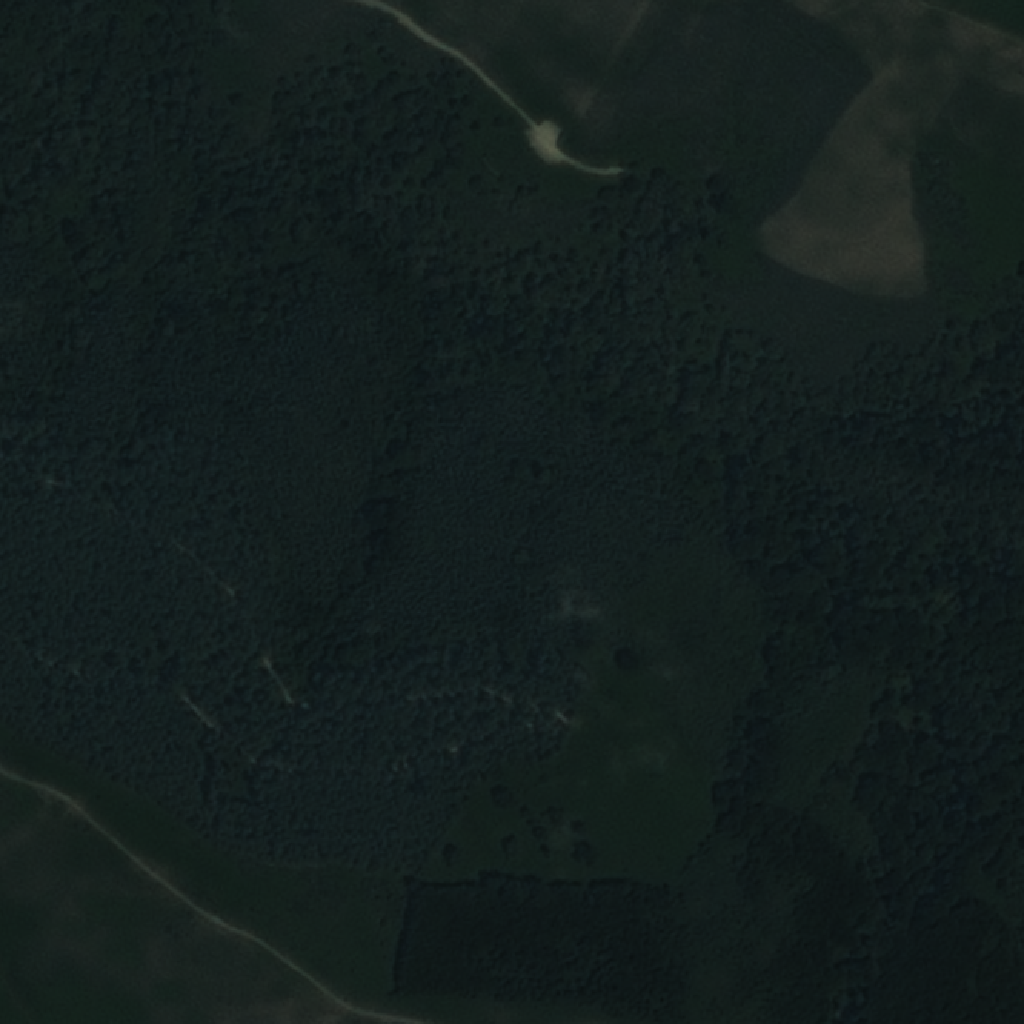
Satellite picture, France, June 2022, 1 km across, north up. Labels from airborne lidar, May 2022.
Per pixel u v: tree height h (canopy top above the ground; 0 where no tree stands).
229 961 0
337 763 26
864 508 23
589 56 0
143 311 13
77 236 28
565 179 0
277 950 0
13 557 30
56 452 24
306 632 14
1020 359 33
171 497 25
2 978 0
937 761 32
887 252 0
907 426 18
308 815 21
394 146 20
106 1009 0
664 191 18
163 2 18
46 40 10
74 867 0
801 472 31
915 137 0
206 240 12
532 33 0
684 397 20
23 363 12
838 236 0
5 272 12
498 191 7
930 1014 18
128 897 0
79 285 18
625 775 0
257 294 24
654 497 8
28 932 0
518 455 7
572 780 0
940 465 15
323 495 11
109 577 30
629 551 8
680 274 17
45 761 0
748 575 8
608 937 8
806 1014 13
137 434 10
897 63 0
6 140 27
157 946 0
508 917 14
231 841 19
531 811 12
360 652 6
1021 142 0
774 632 8
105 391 12
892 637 20
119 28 18
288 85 14
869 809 16
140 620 31
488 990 8
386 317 11
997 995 6
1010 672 19
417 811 27
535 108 0
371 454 10
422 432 9
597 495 10
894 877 24
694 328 16
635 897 9
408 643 7
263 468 10
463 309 15
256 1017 0
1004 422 17
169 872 0
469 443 13
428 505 11
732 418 29
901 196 0
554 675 24
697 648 7
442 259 12
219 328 7
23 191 22
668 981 7
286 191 12
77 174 13
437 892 18
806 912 7
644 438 8
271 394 11
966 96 0
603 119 0
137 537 27
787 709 9
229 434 10
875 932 26
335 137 15
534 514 14
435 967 15
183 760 21
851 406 20
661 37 0
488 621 13
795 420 19
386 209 19
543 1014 0
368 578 17
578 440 11
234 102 15
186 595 27
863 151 0
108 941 0
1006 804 10
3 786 0
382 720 26
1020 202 0
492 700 25
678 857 0
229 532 24
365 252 13
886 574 11
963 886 18
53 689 27
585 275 10
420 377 12
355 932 0
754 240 0
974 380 15
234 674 26
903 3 0
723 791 19
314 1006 0
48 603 27
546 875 0
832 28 0
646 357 22
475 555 15
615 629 7
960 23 0
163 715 24
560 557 10
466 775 24
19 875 0
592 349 23
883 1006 19
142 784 16
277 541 7
